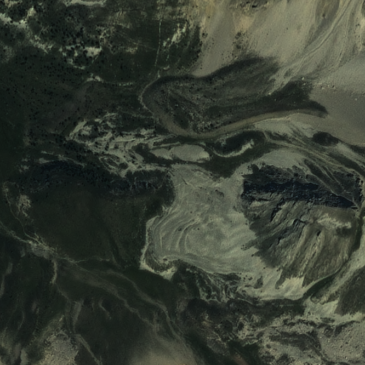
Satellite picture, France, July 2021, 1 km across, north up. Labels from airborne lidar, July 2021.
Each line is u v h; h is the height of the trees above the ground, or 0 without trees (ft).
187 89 0
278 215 0
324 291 0
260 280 0
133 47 0
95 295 0
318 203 0
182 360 0
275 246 0
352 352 0
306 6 0
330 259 0
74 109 0
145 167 0
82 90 0
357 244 0
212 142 0
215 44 0
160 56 0
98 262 0
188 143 0
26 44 0
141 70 0
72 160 0
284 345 0
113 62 0
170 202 0
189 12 0
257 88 0
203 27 0
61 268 0
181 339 0
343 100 0
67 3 0
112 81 0
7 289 0
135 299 0
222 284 0
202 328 0
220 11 0
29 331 0
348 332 0
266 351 0
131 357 0
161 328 0
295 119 0
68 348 0
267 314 0
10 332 0
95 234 0
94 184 24
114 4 0
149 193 0
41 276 0
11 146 0
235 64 0
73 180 0
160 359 0
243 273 0
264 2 0
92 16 0
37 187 0
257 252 0
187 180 0
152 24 0
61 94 0
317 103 0
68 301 0
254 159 0
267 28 0
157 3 0
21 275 0
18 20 0
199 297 0
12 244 0
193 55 0
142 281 0
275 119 0
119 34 0
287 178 0
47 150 0
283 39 0
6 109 0
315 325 0
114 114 0
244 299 0
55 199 0
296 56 0
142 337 0
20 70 0
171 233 0
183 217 0
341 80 0
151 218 0
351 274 0
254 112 0
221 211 0
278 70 0
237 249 0
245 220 0
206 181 0
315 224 0
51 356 0
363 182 0
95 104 0
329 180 0
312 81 0
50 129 0
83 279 0
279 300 0
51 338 0
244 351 0
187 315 0
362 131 0
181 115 0
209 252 0
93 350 0
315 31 0
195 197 0
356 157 0
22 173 0
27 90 0
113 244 0
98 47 23
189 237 0
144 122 0
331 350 0
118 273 0
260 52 0
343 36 0
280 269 0
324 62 0
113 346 0
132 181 0
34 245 0
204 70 0
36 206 0
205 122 0
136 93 0
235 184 0
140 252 0
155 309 0
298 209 0
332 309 0
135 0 0
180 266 0
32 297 0
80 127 0
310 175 0
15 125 0
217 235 0
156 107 0
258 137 0
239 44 0
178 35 0
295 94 0
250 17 0
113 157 0
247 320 0
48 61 0
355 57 0
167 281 0
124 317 0
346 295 0
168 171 0
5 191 0
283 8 0
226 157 0
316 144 0
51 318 0
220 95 0
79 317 0
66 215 0
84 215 0
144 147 0
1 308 0
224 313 0
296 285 0
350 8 0
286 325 0
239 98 0
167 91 0
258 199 0
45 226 0
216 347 0
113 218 0
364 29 0
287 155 0
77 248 0
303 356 0
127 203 0
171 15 0
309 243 0
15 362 0
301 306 0
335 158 0
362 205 0
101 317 0
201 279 0
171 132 0
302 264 0
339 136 0
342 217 0
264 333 0
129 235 0
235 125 0
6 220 0
